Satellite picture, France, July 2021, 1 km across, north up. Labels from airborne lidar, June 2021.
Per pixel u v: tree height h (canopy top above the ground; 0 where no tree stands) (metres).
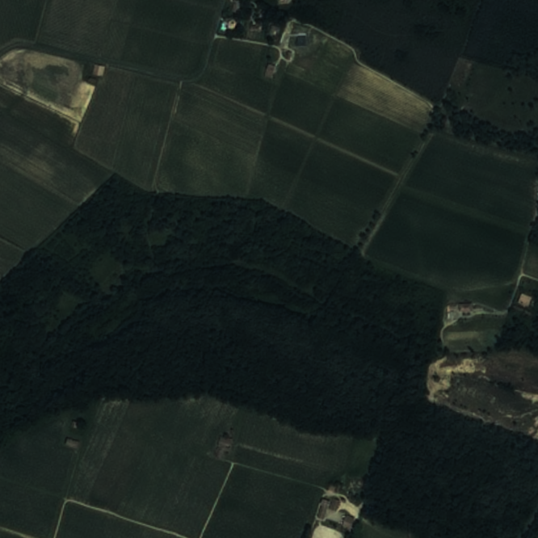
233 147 0
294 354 19
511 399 0
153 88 0
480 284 0
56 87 0
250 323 26
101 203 8
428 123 0
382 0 6
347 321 20
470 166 0
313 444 0
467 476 23
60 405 21
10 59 0
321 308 19
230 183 0
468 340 0
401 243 0
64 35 0
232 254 13
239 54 0
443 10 11
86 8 0
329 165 0
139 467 0
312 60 0
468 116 16
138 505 0
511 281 0
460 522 21
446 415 15
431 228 0
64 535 0
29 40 0
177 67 0
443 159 0
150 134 0
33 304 19
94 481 0
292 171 0
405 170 0
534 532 23
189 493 0
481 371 0
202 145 0
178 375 22
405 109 0
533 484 17
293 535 0
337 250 8
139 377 27
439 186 0
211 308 19
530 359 0
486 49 9
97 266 0
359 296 11
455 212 0
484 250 0
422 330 7
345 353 25
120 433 0
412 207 0
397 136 0
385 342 21
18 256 0
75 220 7
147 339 22
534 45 10
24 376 20
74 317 10
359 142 0
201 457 0
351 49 0
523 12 10
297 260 14
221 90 0
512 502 15
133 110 0
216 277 19
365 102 0
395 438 21
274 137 0
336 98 0
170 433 0
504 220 0
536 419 0
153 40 0
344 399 24
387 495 27
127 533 0
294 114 0
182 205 13
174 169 0
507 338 20
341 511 0
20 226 0
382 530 0
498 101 0
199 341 20
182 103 0
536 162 0
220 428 0
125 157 0
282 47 0
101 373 24
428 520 22
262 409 20
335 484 6
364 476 0
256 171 0
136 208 16
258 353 22
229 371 27
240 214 21
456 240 0
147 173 0
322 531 0
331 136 0
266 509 0
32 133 0
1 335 21
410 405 16
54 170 0
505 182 0
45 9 0
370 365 23
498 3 11
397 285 9
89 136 0
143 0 0
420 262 0
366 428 25
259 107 0
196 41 0
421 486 27
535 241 21
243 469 0
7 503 0
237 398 22
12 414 18
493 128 17
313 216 0
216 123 0
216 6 0
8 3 0
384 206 0
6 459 0
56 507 0
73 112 0
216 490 0
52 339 21
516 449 27
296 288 9
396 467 28
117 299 6
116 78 0
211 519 0
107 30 0
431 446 25
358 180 0
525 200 0
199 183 0
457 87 0
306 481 0
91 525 0
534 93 0
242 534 0
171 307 26
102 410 0
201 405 0
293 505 0
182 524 0
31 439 0
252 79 0
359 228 0
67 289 13
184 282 18
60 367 23
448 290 0
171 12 0
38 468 0
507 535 21
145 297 9
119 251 17
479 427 16
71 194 0
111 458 0
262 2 13
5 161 0
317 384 25
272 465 0
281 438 0
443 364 0
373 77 0
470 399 0
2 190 0
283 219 22
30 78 0
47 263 21
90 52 0
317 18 8
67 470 0
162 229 18
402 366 18
